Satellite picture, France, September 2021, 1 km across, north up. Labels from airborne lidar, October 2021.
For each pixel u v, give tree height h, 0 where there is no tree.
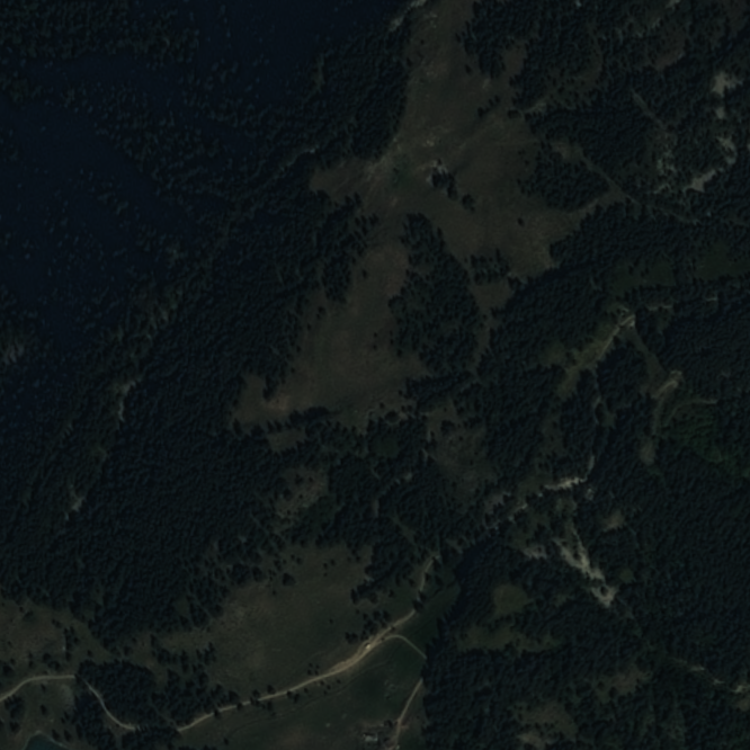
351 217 7
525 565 16
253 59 14
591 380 19
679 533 19
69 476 18
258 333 15
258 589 0
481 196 0
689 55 12
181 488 17
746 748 18
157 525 15
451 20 0
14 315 7
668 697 20
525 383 21
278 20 7
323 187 0
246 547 14
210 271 6
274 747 0
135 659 0
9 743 0
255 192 17
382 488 18
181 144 12
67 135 5
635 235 14
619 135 12
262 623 0
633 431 26
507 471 12
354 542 19
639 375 19
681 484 24
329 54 14
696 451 11
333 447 14
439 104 0
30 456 16
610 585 23
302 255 19
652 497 19
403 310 8
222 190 20
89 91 13
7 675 18
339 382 0
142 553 15
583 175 10
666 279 0
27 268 7
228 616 0
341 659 0
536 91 12
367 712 0
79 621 13
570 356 11
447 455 0
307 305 11
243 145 6
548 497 22
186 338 18
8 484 19
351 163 0
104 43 16
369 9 7
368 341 0
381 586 20
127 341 18
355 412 0
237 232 18
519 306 19
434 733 15
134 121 22
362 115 16
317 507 6
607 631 16
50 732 0
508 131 0
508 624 11
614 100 13
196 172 23
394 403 0
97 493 20
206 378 15
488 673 25
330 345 0
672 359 22
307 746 0
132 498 17
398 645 0
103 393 21
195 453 15
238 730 0
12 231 13
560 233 0
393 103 10
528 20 8
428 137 0
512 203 0
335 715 0
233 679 0
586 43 10
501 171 0
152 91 7
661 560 12
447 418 0
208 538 19
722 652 18
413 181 0
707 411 11
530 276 0
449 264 12
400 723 0
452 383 14
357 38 11
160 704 14
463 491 0
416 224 14
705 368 25
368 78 15
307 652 0
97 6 7
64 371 6
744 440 24
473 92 0
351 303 0
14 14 32
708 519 26
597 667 24
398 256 0
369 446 16
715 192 13
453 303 12
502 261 11
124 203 9
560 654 14
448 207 0
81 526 20
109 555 19
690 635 18
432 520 20
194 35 10
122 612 21
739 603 21
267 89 8
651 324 23
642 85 6
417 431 20
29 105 11
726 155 13
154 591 23
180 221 7
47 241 10
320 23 9
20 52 18
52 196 22
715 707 19
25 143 11
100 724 20
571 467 16
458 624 21
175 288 12
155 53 17
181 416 21
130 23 11
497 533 10
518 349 10
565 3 12
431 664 18
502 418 8
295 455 14
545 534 25
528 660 29
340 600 0
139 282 17
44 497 17
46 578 24
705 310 24
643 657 10
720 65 9
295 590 0
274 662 0
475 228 0
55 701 0
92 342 22
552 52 11
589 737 17
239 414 0
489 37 13
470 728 17
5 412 7
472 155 0
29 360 7
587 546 11
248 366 14
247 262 7
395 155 0
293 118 15
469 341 14
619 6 13
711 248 11
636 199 16
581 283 20
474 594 23
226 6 6
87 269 10
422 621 0
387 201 0
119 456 18
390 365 0
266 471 14
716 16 11
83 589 16
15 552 21
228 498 19
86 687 17
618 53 13
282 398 0
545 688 25
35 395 6
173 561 10
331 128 12
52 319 9
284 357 8
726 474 13
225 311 16
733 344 22
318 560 0
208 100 7
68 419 21
